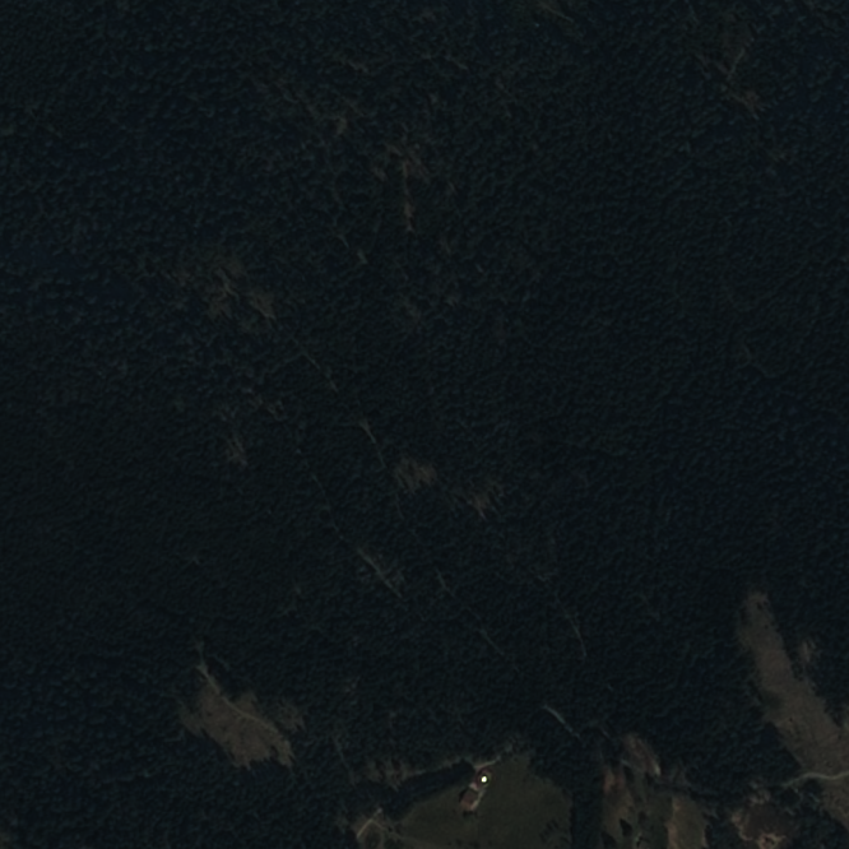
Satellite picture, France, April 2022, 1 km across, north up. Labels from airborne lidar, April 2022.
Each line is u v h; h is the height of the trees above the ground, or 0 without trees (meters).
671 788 20
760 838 0
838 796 0
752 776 27
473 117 33
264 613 21
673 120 35
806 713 0
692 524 29
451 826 0
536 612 27
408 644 29
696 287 24
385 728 27
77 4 30
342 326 16
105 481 23
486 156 34
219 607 20
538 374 25
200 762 30
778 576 25
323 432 13
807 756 0
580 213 38
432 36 11
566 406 30
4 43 29
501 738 25
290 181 30
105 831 20
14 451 16
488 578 22
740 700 22
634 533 31
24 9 26
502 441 34
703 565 21
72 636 25
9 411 16
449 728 26
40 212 44
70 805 30
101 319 32
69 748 13
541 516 19
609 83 38
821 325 27
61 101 25
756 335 29
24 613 27
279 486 21
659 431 27
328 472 18
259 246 8
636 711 25
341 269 36
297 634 19
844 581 26
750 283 22
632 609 32
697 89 34
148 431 27
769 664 0
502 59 36
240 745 0
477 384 34
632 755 21
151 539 17
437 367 27
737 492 28
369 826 0
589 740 22
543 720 24
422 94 31
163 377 19
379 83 9
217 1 29
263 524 19
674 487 23
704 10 34
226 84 36
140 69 25
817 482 27
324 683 27
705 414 33
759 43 15
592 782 20
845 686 24
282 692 26
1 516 25
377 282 21
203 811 24
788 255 19
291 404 15
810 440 31
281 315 14
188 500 20
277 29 31
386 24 29
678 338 30
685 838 0
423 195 18
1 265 30
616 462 31
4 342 7
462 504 16
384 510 16
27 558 24
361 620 24
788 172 12
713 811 15
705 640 23
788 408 27
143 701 30
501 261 41
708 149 31
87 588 23
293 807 23
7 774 24
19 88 26
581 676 19
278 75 10
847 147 26
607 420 28
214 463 23
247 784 27
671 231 24
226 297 30
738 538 29
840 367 29
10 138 19
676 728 22
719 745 23
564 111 35
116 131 18
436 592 22
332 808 30
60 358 22
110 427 26
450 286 35
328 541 17
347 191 7
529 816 0
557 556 19
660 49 35
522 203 33
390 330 23
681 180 27
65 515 22
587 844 24
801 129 18
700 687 22
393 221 13
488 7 6
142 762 33
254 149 35
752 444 35
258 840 22
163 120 7
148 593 20
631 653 27
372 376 16
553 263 20
